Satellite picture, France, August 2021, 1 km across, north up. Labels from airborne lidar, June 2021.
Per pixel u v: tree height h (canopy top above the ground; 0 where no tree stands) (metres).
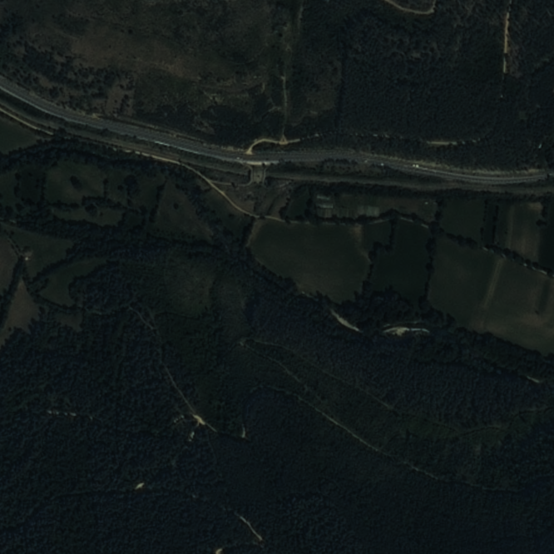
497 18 6
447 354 25
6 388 18
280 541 15
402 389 32
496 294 0
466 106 23
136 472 13
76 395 16
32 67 14
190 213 0
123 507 16
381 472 14
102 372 11
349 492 12
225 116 8
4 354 14
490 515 12
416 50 20
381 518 11
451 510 12
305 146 8
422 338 14
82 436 9
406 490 9
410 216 6
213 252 19
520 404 30
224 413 8
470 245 16
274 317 21
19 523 6
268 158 0
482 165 22
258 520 19
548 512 11
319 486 7
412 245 0
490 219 0
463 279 0
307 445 13
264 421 17
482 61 14
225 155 0
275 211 0
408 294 0
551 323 0
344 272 0
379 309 32
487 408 29
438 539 13
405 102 27
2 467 16
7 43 6
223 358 13
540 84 15
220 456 13
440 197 16
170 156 0
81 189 17
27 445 12
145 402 18
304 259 0
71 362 19
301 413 13
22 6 0
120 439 20
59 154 17
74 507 7
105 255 16
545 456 15
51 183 0
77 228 19
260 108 8
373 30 20
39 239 0
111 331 15
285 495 12
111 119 9
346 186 18
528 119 6
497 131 18
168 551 10
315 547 18
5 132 0
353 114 24
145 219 16
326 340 23
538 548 8
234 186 10
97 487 17
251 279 25
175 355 10
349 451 13
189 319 7
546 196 9
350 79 25
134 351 15
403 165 0
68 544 10
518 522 13
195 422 6
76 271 0
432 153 20
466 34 14
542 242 0
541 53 15
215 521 18
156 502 9
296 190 9
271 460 15
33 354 17
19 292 0
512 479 8
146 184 0
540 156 10
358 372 24
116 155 15
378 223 0
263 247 0
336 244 0
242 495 13
